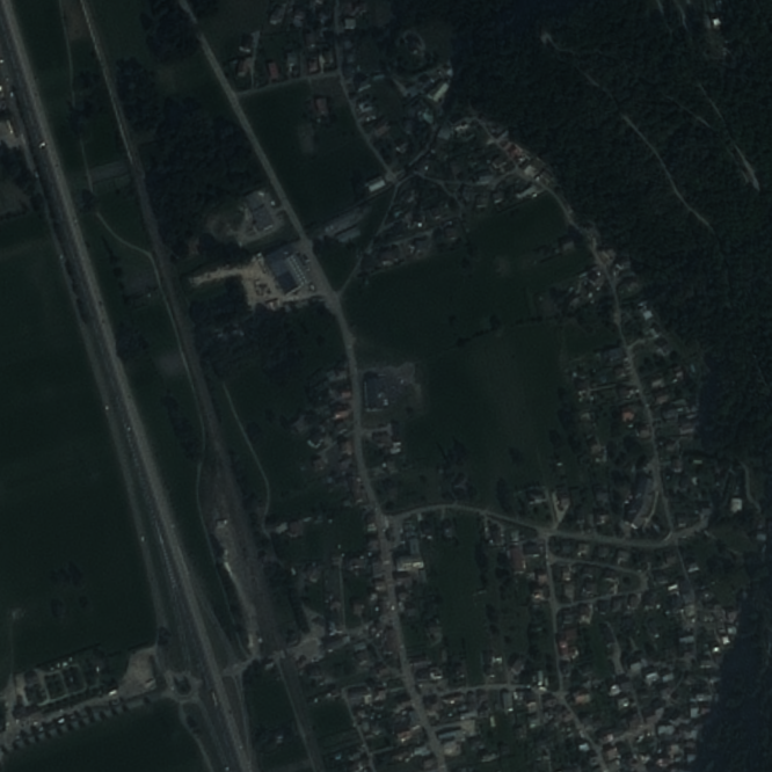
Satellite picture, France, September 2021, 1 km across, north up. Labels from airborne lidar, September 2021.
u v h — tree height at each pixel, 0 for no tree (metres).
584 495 7
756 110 23
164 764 0
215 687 0
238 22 0
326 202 0
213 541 0
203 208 13
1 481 0
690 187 17
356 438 0
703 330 25
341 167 0
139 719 0
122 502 0
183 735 0
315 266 0
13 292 0
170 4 20
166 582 0
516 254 0
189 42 18
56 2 0
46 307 0
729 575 21
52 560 0
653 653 16
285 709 0
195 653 0
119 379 0
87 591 0
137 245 0
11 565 0
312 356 0
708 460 11
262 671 11
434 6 19
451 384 0
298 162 0
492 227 0
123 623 0
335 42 8
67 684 6
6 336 0
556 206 0
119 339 10
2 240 0
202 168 21
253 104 0
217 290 0
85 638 0
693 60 14
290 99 0
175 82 0
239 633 13
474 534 0
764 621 7
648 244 20
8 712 0
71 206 0
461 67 20
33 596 0
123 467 0
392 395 0
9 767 0
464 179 7
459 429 0
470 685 0
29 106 0
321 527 0
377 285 0
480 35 25
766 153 18
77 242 0
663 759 0
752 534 9
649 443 0
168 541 0
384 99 0
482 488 0
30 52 0
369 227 0
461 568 0
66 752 0
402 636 0
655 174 24
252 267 0
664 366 12
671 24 19
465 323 0
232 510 0
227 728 0
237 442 0
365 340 0
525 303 0
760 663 8
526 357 0
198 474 0
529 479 0
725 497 8
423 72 6
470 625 0
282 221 0
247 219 0
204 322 23
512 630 6
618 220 27
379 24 0
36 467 0
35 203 19
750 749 23
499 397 0
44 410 0
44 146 0
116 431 0
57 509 0
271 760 0
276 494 0
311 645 0
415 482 0
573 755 8
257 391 0
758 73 23
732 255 27
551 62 21
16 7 0
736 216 13
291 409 0
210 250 22
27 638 0
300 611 13
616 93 28
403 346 0
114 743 0
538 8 25
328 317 15
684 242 26
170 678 0
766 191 15
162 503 0
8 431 0
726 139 13
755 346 20
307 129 0
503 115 20
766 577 16
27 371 0
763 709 28
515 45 19
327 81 0
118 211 0
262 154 0
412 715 0
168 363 0
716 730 26
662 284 24
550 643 0
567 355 0
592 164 20
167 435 0
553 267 0
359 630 0
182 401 0
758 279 17
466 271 13
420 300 0
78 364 0
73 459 0
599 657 0
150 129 19
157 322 0
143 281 0
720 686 8
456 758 0
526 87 12
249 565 0
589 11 15
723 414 25
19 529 0
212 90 0
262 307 0
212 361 22
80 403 0
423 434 0
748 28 22
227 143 24
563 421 15
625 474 0
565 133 19
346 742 0
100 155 0
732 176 20
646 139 18
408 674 0
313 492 0
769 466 17
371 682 7
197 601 0
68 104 0
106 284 0
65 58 0
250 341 25
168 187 26
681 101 25
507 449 0
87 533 0
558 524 0
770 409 25
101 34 0
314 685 8
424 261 0
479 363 0
